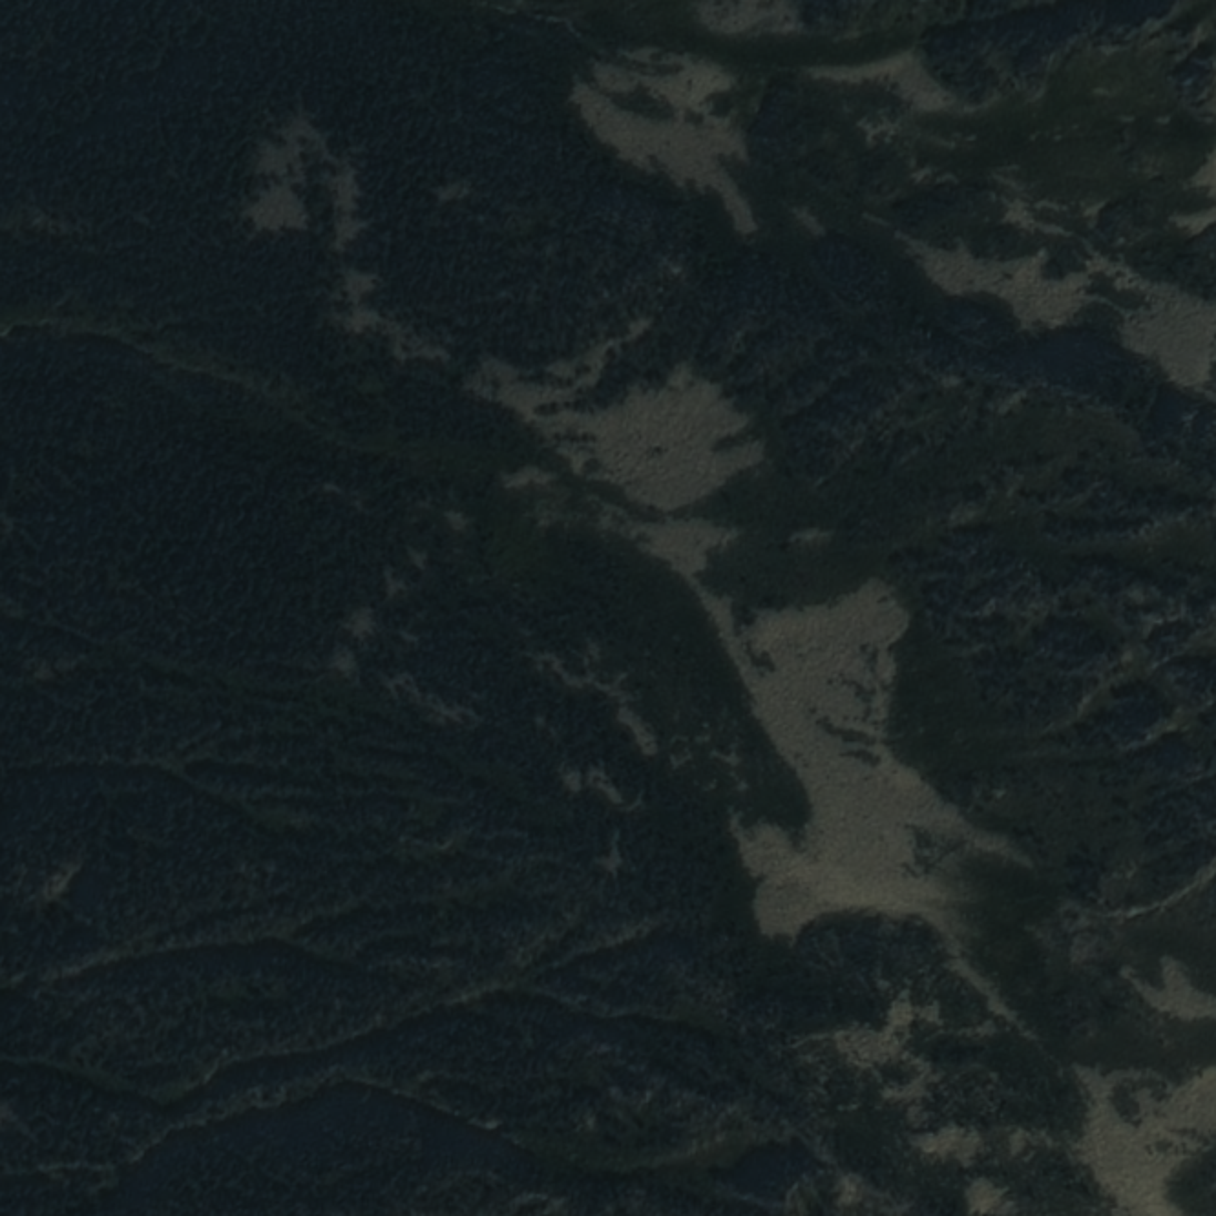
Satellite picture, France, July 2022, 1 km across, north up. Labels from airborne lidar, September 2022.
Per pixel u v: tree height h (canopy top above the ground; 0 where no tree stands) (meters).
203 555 14
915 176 0
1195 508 8
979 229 0
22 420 19
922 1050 0
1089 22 9
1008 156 0
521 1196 6
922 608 0
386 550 8
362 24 11
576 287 13
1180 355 0
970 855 0
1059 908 0
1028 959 0
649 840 10
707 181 0
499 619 10
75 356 10
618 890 9
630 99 0
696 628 0
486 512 0
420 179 11
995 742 0
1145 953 0
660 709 0
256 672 9
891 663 0
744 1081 7
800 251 0
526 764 12
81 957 6
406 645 11
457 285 18
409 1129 7
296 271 14
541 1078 7
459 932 11
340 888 10
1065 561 0
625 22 0
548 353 8
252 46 13
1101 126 0
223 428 9
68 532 15
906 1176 0
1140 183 0
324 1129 12
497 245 11
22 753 26
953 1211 6
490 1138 0
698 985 7
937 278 0
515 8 0
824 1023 0
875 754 0
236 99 11
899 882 0
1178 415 8
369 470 10
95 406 20
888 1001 0
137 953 11
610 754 8
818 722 0
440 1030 12
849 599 0
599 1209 11
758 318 14
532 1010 7
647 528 0
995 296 0
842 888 0
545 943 6
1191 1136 0
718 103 0
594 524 0
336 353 6
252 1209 16
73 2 21
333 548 9
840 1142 8
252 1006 11
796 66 0
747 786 0
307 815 11
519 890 9
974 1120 0
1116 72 0
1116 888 0
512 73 8
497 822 6
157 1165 6
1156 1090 0
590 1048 9
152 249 13
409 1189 11
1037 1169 0
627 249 10
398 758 9
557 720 11
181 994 20
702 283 7
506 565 0
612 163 7
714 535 0
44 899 13
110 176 18
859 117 0
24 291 8
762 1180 11
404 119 14
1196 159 0
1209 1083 0
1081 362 10
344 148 12
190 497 19
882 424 7
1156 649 7
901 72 0
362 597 7
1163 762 7
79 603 21
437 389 8
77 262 14
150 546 13
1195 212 0
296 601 15
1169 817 6
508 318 8
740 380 6
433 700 0
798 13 0
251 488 20
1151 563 0
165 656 12
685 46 0
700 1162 0
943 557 9
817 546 0
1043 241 0
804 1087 10
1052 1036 0
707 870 9
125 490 8
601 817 9
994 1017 0
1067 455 0
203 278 8
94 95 31
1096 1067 0
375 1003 9
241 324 12
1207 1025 0
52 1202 17
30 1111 24
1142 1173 0
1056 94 0
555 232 15
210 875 13
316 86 13
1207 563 0
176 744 16
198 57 8
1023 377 10
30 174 9
